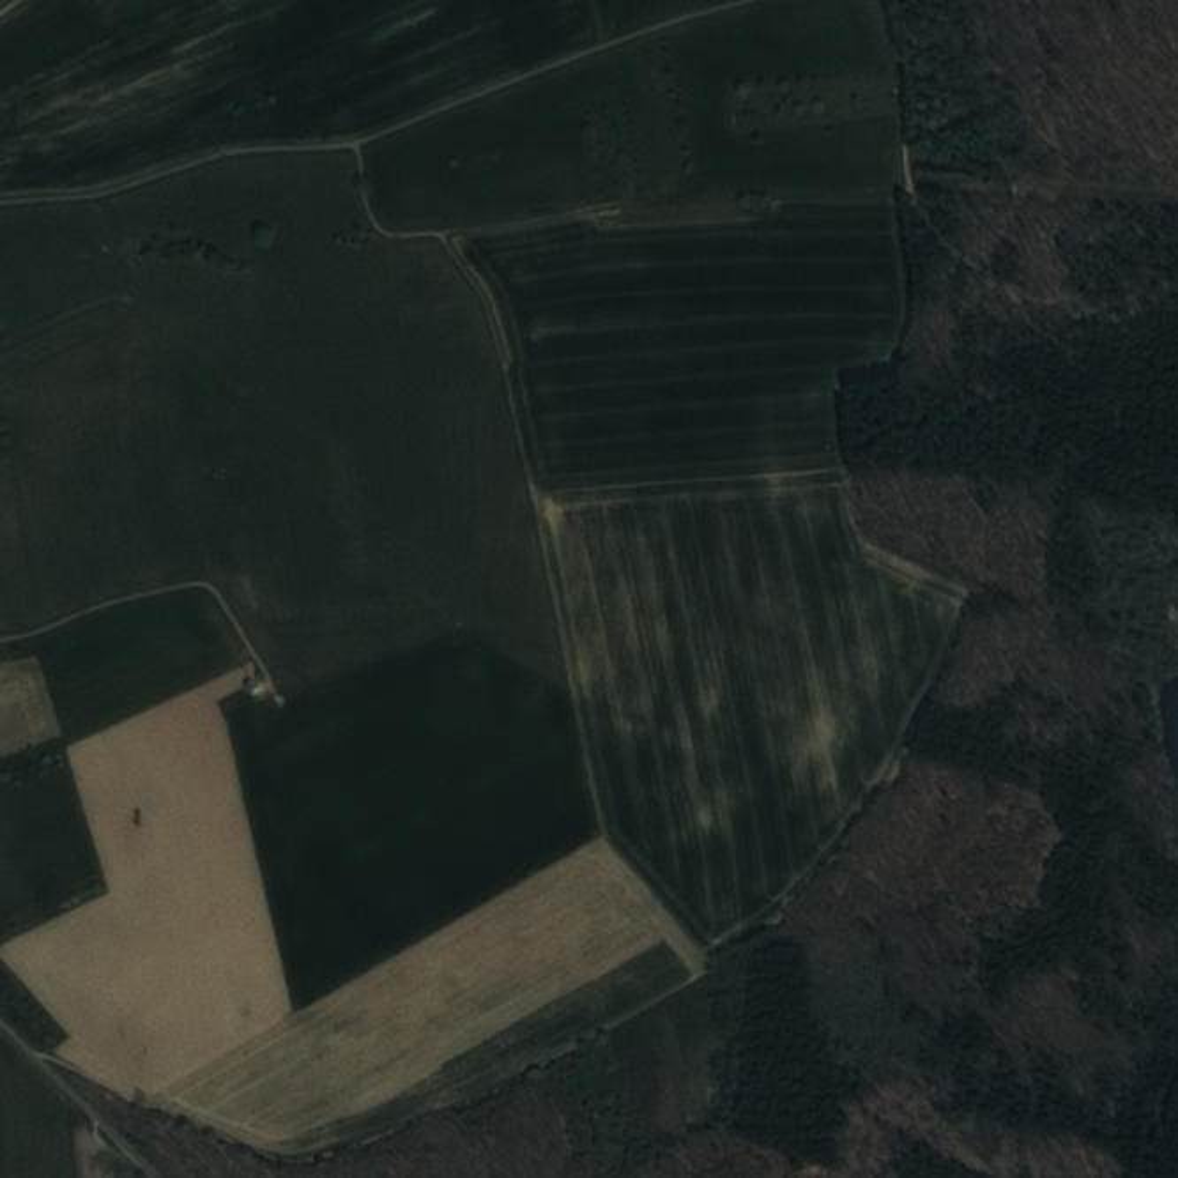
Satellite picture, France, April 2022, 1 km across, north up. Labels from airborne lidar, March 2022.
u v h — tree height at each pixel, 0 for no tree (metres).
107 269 0
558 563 0
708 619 0
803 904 12
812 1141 18
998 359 21
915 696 0
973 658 20
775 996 25
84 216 0
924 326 21
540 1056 0
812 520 0
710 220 0
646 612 0
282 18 0
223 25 0
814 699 0
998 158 23
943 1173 22
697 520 0
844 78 7
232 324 0
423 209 0
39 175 0
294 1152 0
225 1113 0
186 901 0
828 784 0
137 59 0
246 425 0
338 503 0
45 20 0
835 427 0
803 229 0
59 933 0
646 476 0
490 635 0
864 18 0
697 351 0
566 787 0
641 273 0
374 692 0
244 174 0
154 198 0
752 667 0
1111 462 24
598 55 0
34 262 0
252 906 0
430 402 0
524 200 0
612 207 0
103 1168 0
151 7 0
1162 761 21
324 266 0
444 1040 0
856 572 0
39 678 0
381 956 0
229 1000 0
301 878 0
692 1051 0
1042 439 22
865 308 0
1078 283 19
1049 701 19
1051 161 25
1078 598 23
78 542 0
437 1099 0
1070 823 21
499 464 0
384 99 0
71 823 0
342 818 0
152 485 0
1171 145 23
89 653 0
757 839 0
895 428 34
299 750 0
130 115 0
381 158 0
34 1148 0
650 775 0
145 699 0
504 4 0
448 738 0
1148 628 13
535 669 0
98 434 0
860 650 0
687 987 0
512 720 0
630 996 0
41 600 0
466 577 0
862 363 0
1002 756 22
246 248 0
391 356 0
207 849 0
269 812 0
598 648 0
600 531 0
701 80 0
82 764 0
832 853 0
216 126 0
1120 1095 19
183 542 0
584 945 0
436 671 0
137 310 0
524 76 0
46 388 0
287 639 0
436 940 0
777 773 0
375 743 0
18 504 0
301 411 0
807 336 0
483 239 0
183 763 0
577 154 0
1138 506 21
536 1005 0
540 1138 15
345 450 0
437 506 0
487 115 0
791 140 0
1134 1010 25
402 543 0
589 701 0
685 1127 0
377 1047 0
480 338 0
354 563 0
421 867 0
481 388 0
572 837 0
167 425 0
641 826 0
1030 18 27
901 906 15
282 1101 0
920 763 16
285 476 0
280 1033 0
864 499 21
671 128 0
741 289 0
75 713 0
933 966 20
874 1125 15
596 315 0
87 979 0
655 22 0
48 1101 0
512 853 0
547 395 0
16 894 0
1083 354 19
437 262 0
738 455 0
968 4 27
